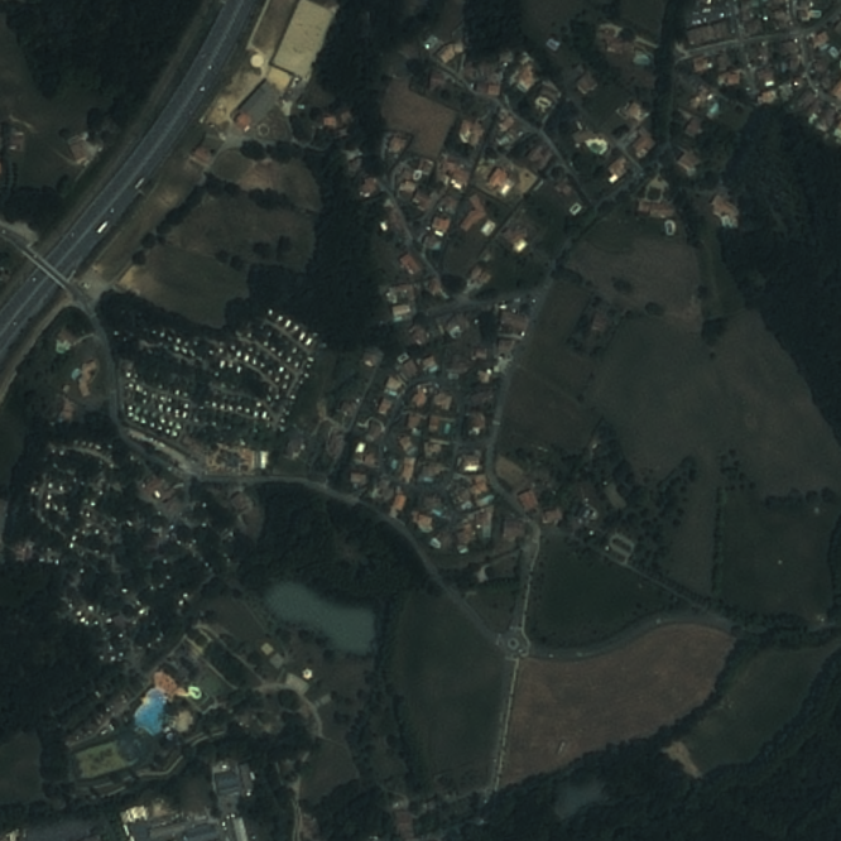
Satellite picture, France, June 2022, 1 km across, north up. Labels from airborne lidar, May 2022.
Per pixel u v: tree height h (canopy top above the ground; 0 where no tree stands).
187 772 9
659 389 0
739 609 10
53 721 12
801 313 27
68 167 0
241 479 0
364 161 16
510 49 15
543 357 0
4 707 9
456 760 0
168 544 12
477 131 0
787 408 0
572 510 7
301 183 0
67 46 18
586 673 0
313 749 18
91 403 0
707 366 0
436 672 0
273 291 25
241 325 20
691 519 0
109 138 15
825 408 16
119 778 14
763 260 25
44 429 16
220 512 21
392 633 22
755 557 0
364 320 23
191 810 0
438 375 10
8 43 0
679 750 0
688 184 8
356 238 23
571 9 0
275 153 16
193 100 0
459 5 0
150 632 16
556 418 0
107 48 20
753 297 21
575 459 12
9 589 0
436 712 0
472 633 0
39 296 0
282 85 0
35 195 17
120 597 12
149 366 12
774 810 17
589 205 9
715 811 21
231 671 17
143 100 20
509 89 10
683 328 0
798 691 0
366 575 23
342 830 19
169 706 12
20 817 21
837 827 21
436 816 10
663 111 20
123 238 0
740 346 0
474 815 9
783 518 0
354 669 0
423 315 10
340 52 20
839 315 25
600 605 0
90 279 0
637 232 0
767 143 33
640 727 0
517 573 7
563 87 7
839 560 18
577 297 0
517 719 0
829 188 27
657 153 8
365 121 18
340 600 14
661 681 0
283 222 0
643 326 0
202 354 19
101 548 16
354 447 7
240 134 0
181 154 0
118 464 14
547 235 0
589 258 0
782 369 0
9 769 0
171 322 21
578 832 12
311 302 28
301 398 8
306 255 0
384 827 10
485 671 0
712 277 0
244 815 8
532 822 22
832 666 19
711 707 8
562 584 0
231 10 0
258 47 0
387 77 8
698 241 12
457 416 6
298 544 17
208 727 7
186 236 0
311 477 8
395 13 19
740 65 7
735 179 25
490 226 0
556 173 12
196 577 20
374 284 18
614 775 18
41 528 14
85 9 18
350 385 13
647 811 14
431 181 6
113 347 8
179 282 0
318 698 0
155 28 15
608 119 0
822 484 0
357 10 20
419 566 15
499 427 0
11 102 0
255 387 19
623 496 13
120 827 9
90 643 19
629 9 0
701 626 0
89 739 0
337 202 19
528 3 0
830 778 13
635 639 0
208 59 0
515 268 0
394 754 7
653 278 0
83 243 0
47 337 12
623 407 0
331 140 9
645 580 12
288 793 11
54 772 19
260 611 0
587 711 0
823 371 25
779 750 27
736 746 0
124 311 20
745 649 20
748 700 0
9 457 0
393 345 17
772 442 0
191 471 0
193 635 19
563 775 6
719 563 8
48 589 11
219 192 14
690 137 7
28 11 17
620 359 0
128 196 0
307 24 0
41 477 14
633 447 0
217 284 0
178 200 0
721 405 0
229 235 0
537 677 0
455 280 12
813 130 6
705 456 0
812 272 29
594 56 17
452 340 10
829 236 26
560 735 0
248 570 15
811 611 0
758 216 23
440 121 0
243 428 11
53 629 20
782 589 0
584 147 8
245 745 22
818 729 27
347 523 13
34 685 22
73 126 0
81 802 16
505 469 0
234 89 0
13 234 0
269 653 0
